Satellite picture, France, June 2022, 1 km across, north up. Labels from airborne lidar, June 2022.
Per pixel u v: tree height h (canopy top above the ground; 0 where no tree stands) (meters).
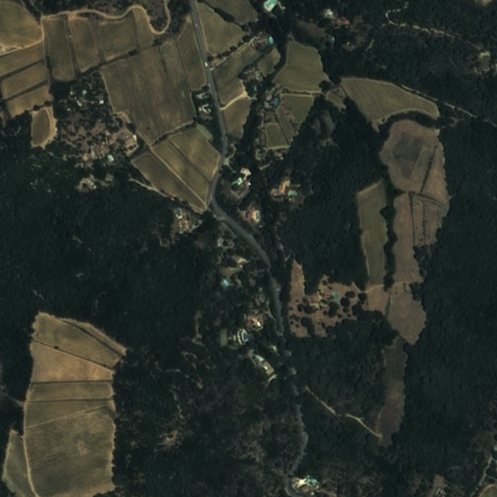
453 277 8
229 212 10
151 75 0
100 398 0
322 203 10
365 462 7
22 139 10
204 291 6
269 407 9
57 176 10
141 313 9
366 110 0
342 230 10
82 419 0
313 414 10
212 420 11
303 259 12
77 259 13
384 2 9
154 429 8
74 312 7
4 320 7
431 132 0
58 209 9
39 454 0
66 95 7
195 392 10
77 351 0
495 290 12
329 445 7
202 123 10
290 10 10
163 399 10
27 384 9
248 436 10
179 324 7
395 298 0
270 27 10
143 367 8
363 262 17
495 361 6
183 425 8
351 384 6
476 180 8
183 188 0
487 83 11
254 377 7
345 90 0
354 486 6
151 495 8
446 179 7
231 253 10
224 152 0
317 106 9
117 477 13
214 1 0
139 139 7
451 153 5
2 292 8
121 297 14
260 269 9
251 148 6
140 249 9
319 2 8
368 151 16
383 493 8
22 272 10
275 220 9
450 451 13
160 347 10
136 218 8
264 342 12
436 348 12
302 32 8
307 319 12
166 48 0
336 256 11
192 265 12
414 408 12
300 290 0
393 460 12
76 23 0
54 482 0
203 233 10
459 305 12
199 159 0
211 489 8
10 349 8
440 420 15
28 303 10
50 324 0
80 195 14
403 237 0
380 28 7
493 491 0
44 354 0
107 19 0
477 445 9
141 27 0
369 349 9
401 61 7
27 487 0
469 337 10
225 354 12
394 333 13
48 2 16
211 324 13
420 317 0
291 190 0
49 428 0
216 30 0
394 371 0
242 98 0
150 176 0
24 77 0
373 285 0
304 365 15
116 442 8
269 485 6
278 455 7
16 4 0
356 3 13
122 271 8
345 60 8
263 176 8
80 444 0
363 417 8
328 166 14
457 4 7
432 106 0
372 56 11
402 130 0
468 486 8
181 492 8
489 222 7
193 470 6
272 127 0
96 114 9
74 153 6
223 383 7
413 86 5
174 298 9
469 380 6
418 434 7
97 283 12
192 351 9
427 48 7
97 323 6
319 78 0
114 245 8
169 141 0
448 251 6
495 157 8
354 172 16
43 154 8
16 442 0
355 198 15
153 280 7
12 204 9
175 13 7
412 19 9
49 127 0
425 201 0
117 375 9
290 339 14
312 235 7
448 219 8
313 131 13
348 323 17
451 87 6
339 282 11
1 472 7
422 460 10
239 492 9
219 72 0
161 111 0
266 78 10
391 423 0
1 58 0
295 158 11
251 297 11
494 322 16
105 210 11
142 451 9
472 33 6
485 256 6
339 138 18
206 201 0
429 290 12
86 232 10
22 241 8
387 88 0
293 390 11
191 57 0
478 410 7
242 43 8
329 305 6
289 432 7
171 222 10
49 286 9
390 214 24
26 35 0
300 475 10
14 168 9
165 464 9
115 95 0
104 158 8
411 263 0
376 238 0
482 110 11
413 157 0
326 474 0
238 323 12
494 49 9
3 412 7
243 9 0
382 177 13
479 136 7
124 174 13
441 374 6
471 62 13
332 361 7
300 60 0
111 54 0
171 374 11
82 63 0
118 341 8
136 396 9
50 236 11
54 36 0
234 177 10
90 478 0
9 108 0
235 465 6
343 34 8
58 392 0
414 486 9
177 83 0
